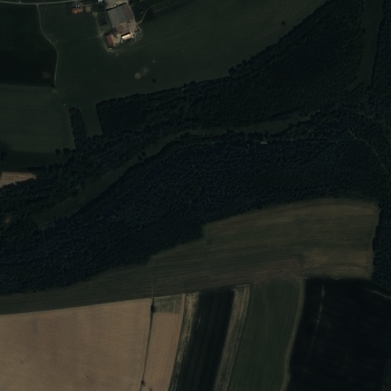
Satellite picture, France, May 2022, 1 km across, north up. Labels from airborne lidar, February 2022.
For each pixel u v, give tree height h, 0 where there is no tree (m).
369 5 0
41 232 18
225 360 0
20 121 0
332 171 19
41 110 0
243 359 0
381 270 15
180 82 0
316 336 0
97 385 0
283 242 0
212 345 0
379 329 0
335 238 0
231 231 0
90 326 0
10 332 0
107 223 25
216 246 0
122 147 26
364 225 0
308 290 0
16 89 0
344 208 0
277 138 10
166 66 0
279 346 0
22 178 0
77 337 0
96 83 0
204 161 30
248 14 0
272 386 0
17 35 0
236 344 0
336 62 17
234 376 0
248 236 0
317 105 8
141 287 0
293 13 0
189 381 0
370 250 0
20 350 0
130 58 0
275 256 0
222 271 0
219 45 0
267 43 0
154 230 17
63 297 0
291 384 0
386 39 13
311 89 9
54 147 0
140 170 16
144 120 15
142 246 13
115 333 0
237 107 15
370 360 0
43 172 21
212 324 0
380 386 0
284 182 15
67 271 16
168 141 0
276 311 0
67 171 25
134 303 0
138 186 9
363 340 0
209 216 21
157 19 0
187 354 0
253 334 0
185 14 0
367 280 0
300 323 0
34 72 0
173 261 0
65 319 0
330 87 9
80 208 0
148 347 0
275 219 0
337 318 0
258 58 17
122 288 0
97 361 0
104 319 0
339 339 0
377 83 7
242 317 0
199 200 24
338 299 0
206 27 0
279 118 24
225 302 0
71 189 10
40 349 0
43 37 0
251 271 0
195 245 0
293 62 19
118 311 0
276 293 0
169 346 0
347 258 0
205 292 0
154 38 0
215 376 0
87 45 0
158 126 29
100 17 0
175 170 28
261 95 17
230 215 17
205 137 6
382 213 12
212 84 19
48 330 0
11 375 0
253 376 0
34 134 0
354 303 0
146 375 0
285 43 14
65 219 0
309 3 0
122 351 0
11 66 0
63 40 0
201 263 0
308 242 0
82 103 0
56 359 0
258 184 18
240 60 0
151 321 0
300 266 0
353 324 0
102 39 0
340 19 19
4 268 17
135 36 0
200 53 0
